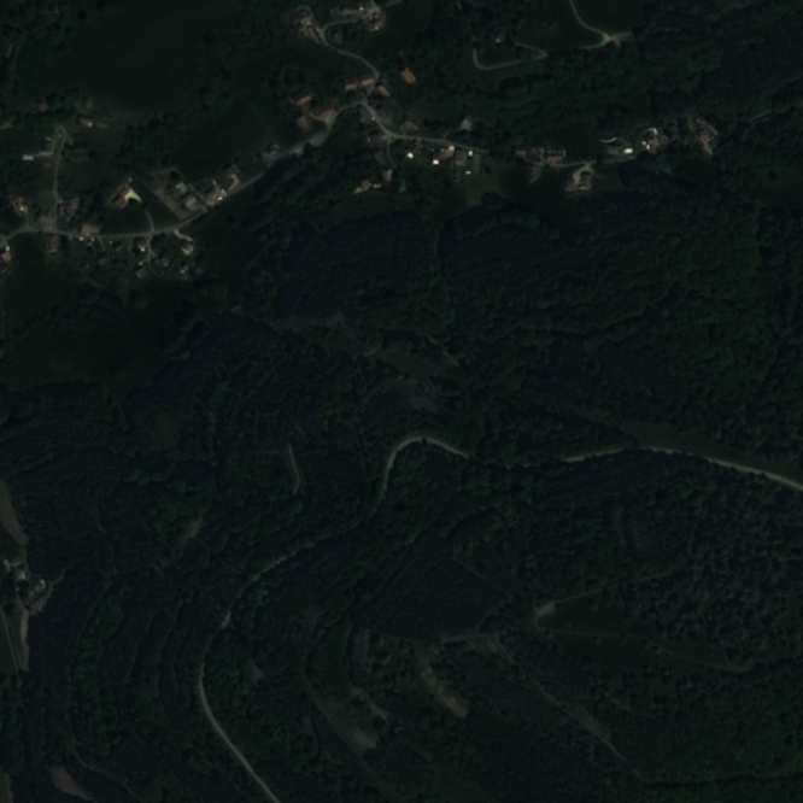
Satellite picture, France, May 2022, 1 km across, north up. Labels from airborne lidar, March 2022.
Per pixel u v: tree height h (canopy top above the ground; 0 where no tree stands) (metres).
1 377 0
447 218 0
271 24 8
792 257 24
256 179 0
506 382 24
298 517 22
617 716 20
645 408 23
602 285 40
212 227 0
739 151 17
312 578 27
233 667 14
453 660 15
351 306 29
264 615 24
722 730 22
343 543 24
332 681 23
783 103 22
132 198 0
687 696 12
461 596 10
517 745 16
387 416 26
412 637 10
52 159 0
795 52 30
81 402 27
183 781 26
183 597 25
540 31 0
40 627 22
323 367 26
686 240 33
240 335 28
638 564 21
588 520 24
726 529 24
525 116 24
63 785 0
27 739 29
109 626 25
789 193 0
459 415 30
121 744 25
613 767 17
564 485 25
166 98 0
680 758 18
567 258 25
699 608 8
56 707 28
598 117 0
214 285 23
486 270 28
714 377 21
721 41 28
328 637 23
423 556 18
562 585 18
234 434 20
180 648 26
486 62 0
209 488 33
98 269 7
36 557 18
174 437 0
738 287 27
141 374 0
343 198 6
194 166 0
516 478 11
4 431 25
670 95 26
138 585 35
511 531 15
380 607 18
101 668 23
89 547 16
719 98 19
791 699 22
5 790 0
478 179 0
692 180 0
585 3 0
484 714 10
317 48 0
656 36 24
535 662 19
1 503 0
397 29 0
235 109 0
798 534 18
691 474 28
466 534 17
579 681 15
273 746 16
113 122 0
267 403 8
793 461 14
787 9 31
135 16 0
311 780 16
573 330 29
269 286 14
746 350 13
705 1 30
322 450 13
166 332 0
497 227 25
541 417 24
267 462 25
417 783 24
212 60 0
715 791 17
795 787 18
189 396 29
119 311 28
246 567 28
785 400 12
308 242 23
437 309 31
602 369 27
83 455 32
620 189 0
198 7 0
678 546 22
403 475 13
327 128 0
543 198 0
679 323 30
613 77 25
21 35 17
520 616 13
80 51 0
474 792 0
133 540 33
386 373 15
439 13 18
